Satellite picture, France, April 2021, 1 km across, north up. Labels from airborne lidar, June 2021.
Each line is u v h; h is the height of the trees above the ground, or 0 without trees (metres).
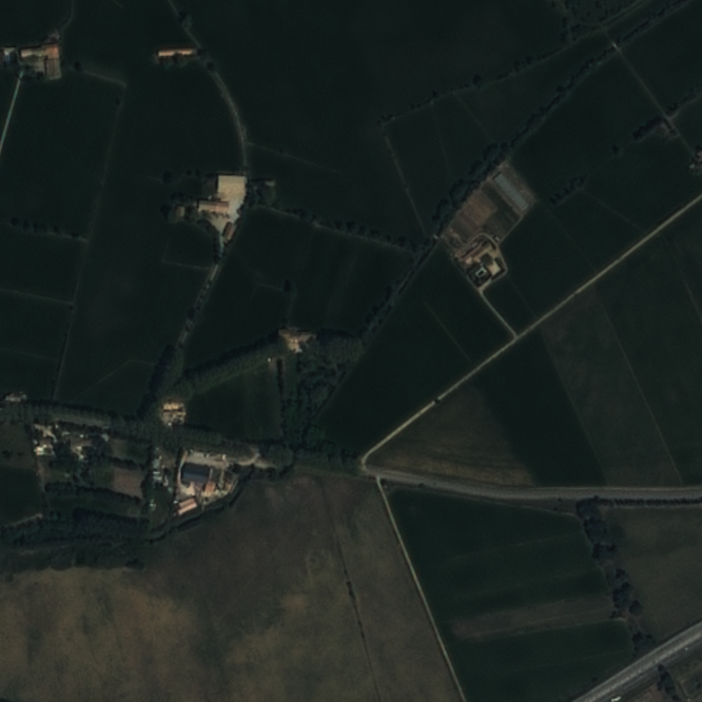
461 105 0
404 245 15
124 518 0
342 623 0
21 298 0
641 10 0
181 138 0
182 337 0
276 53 0
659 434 0
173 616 0
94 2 0
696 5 0
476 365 0
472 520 0
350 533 0
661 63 0
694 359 0
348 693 0
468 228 0
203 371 19
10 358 0
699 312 0
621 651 0
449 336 0
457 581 0
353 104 0
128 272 0
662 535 0
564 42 14
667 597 0
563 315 0
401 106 0
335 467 24
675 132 10
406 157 0
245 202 7
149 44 0
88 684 0
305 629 0
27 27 0
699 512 0
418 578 0
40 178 0
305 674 0
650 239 0
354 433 0
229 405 0
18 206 0
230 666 0
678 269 0
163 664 0
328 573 0
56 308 0
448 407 0
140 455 0
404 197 0
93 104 0
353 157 0
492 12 0
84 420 24
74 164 0
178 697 0
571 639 0
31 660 0
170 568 0
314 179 0
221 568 0
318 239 0
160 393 27
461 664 0
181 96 0
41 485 0
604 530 12
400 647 0
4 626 0
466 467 0
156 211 0
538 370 0
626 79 0
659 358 0
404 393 0
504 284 0
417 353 0
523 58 0
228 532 0
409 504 0
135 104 0
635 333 0
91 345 0
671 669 0
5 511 0
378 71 0
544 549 0
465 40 0
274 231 0
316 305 0
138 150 0
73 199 0
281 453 23
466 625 0
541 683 0
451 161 0
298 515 0
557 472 0
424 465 0
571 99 0
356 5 0
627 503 9
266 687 0
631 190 0
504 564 0
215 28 0
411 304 0
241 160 0
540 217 0
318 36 0
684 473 0
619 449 0
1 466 0
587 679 0
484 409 0
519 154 0
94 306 0
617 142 0
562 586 0
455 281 0
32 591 0
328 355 35
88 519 31
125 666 0
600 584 0
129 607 0
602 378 0
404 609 0
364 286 0
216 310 0
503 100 0
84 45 0
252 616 0
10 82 0
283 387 11
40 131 0
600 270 0
